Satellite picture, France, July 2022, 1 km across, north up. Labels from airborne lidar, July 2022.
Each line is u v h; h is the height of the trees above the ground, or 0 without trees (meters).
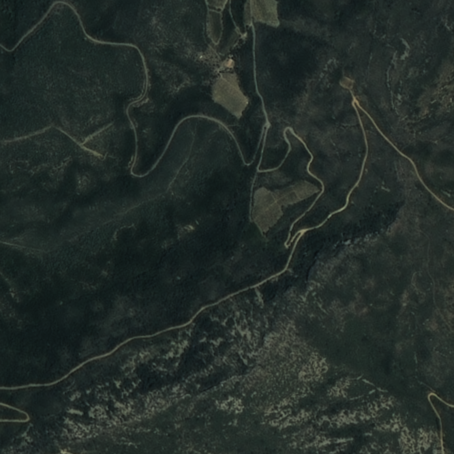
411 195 0
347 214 0
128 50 0
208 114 8
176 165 0
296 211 0
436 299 0
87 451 0
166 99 8
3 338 7
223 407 0
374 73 0
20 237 0
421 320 0
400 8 0
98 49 7
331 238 10
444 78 0
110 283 12
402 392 0
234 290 6
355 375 0
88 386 6
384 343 0
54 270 9
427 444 0
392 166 0
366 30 0
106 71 6
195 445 0
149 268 8
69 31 6
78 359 6
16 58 8
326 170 0
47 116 7
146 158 10
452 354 0
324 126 0
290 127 0
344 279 0
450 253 0
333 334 0
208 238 6
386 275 0
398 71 0
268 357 0
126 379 7
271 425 0
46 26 7
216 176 7
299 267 6
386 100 0
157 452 0
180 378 8
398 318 0
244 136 7
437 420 10
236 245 6
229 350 0
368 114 0
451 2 0
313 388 6
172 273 6
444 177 0
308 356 0
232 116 8
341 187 0
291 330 0
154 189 0
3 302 5
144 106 6
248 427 0
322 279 0
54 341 7
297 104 0
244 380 0
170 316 6
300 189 0
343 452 7
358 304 0
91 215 0
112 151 6
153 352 0
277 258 6
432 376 0
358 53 0
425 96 0
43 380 6
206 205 6
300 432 0
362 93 0
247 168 11
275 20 0
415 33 0
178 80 6
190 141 0
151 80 7
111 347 6
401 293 0
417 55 0
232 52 9
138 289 8
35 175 7
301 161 0
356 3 8
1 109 5
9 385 7
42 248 0
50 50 7
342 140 0
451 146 0
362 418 0
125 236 6
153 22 0
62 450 0
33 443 7
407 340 0
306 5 8
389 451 0
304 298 0
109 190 5
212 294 0
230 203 9
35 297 7
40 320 7
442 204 0
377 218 5
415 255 0
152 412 0
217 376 6
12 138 5
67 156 9
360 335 0
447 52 0
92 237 6
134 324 0
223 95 0
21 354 6
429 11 0
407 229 0
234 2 6
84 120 7
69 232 0
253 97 6
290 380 0
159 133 6
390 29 0
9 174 8
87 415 6
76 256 9
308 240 6
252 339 0
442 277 0
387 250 0
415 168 0
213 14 0
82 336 6
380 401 0
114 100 6
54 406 0
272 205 0
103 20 7
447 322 0
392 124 0
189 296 7
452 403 0
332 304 0
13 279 6
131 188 6
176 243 6
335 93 0
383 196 0
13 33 6
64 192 7
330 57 0
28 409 6
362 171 0
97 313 7
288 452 0
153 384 10
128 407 0
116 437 0
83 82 6
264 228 0
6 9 10
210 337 7
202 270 6
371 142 0
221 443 0
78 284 8
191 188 6
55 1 0
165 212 9
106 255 6
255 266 6
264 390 0
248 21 0
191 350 6
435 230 0
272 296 7
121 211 0
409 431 0
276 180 0
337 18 7
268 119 0
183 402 0
